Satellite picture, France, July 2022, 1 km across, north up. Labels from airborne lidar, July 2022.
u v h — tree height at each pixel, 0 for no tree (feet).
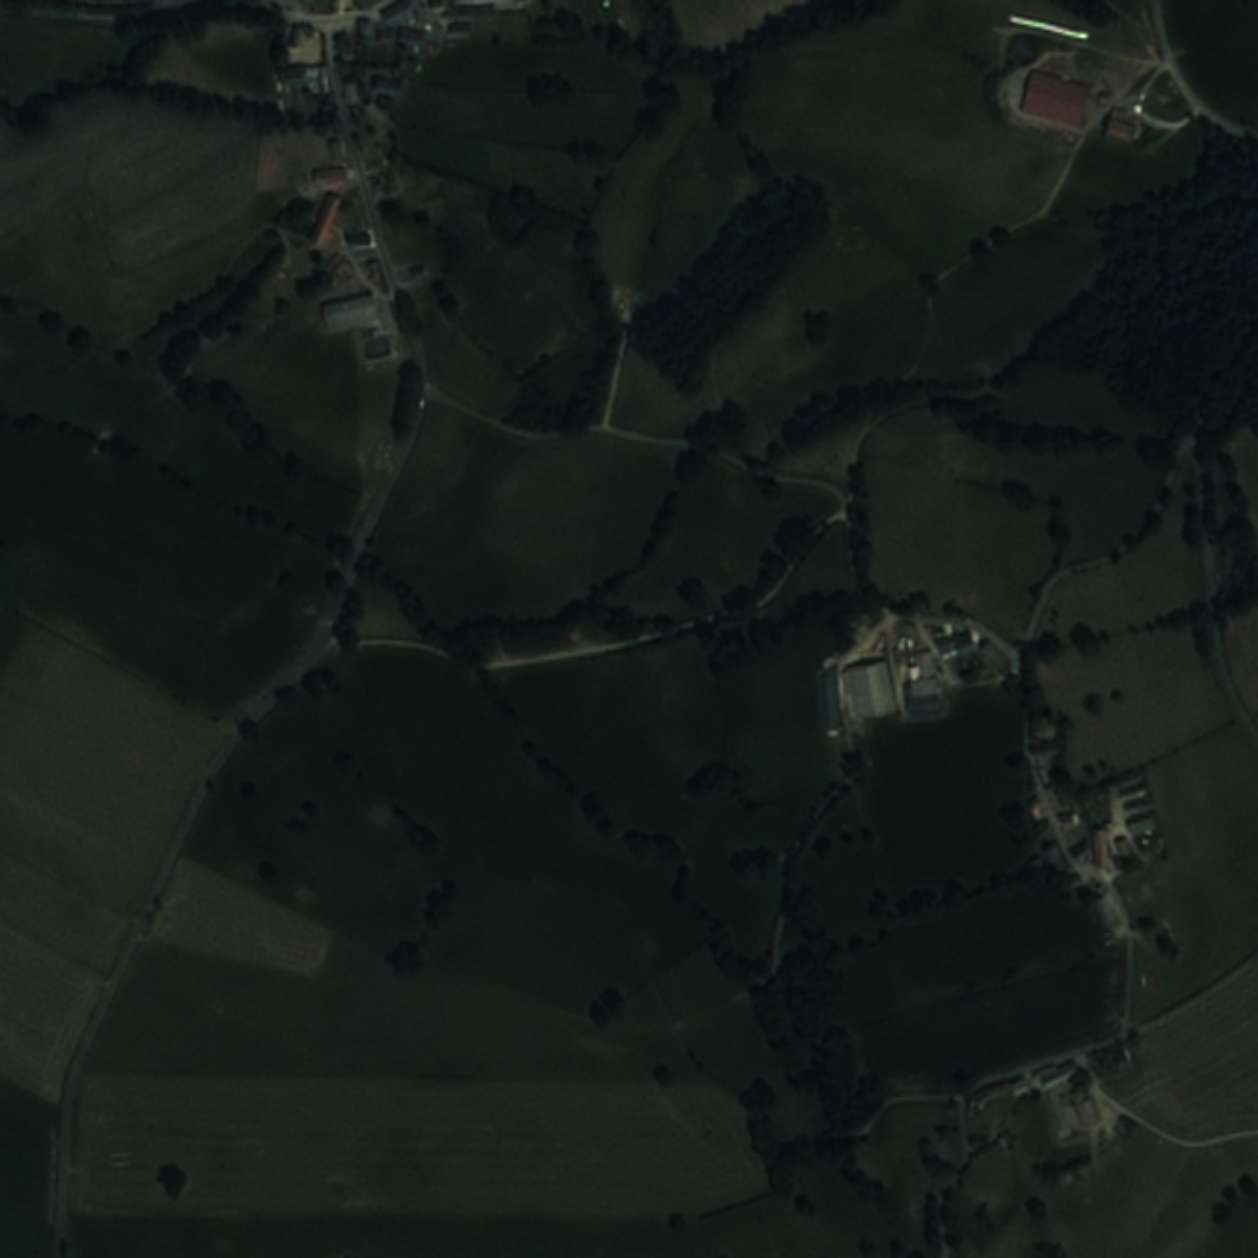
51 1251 0
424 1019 0
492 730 0
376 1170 0
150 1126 0
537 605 0
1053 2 43
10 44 0
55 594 0
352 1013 0
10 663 0
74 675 0
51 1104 0
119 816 0
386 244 0
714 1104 0
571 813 0
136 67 62
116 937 0
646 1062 0
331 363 0
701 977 0
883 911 53
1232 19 0
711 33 0
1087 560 0
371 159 0
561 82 32
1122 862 39
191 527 0
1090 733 0
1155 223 46
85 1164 0
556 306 0
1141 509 0
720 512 0
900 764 0
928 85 0
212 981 0
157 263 0
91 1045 0
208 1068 0
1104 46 0
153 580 0
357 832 0
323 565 0
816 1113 0
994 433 64
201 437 0
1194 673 0
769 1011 48
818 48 0
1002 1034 0
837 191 0
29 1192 0
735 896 0
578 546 0
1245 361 86
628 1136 0
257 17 69
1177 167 0
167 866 0
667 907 0
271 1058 0
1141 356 82
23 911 0
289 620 0
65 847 0
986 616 0
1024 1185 0
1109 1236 0
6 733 0
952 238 0
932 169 0
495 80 0
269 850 0
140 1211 0
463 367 0
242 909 0
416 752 0
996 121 0
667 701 0
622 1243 0
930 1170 38
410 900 0
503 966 0
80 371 0
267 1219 0
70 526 0
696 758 0
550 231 0
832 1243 0
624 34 62
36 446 0
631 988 0
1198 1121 0
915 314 0
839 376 0
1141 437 0
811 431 66
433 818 0
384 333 0
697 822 0
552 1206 0
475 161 0
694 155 0
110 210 0
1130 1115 0
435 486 0
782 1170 67
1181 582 0
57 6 28
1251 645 0
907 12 0
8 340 0
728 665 52
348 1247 0
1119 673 0
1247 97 0
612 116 0
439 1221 0
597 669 0
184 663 0
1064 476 0
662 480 0
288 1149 0
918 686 0
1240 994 0
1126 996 0
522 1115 0
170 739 0
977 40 0
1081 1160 20
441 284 33
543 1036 0
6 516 0
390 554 0
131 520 0
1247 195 35
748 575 0
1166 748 0
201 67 0
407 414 57
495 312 0
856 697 0
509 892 0
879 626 0
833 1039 52
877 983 0
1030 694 62
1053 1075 0
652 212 0
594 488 0
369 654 0
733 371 0
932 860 0
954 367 0
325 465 0
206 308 26
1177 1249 0
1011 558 0
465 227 0
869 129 0
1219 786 0
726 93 66
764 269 65
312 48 0
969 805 0
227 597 0
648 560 22
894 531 0
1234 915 0
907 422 0
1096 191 0
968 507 0
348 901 0
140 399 0
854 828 0
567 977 0
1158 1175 0
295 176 0
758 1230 0
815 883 0
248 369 0
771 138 0
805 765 0
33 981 0
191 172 0
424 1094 0
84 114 0
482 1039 0
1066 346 58
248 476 0
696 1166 0
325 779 0
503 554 0
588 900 0
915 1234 0
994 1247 0
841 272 0
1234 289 90
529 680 0
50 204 0
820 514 0
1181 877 0
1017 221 0
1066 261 0
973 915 0
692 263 0
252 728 51
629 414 0
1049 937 0
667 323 49
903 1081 0
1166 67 0
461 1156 0
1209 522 51
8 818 0
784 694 0
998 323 0
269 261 21
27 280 0
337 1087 0
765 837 0
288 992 0
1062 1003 0
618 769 0
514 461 0
